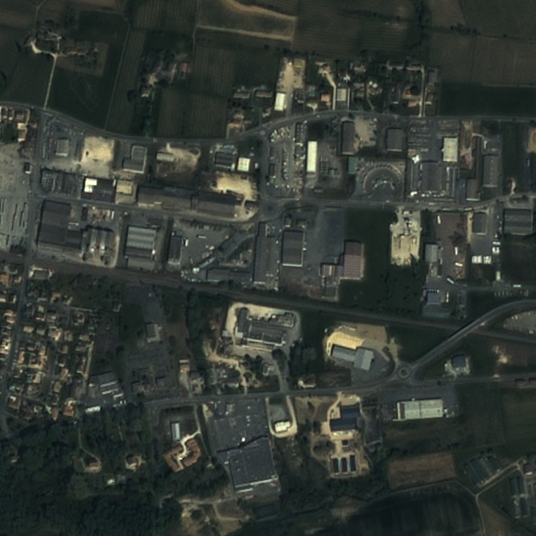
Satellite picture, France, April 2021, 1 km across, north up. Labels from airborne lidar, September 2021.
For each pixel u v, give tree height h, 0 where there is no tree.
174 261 0
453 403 0
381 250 0
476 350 0
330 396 0
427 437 0
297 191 0
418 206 0
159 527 15
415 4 17
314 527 0
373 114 0
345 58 0
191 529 0
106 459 12
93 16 0
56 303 7
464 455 0
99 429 28
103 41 0
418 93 9
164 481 20
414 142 0
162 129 0
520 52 0
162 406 0
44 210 0
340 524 0
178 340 0
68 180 0
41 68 0
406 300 7
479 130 0
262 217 0
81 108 0
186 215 0
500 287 0
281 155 0
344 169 0
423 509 0
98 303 0
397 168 0
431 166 0
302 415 0
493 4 0
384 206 0
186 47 0
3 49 0
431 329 0
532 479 0
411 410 0
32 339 0
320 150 0
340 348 0
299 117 0
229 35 0
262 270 0
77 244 0
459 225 0
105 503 15
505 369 0
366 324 0
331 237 0
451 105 0
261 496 0
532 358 0
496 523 0
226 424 0
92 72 0
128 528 28
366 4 0
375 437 0
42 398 8
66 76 0
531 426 0
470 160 0
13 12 0
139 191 0
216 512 0
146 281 0
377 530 0
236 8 0
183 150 0
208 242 0
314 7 0
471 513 0
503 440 0
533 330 0
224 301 6
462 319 6
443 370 0
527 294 0
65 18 0
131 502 9
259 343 0
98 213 0
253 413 0
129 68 0
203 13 0
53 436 22
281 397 0
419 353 0
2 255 0
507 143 0
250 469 0
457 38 0
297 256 0
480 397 0
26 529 13
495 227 0
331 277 0
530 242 15
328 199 0
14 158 0
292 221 6
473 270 0
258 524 0
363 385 0
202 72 0
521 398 0
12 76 0
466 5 0
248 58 0
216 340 0
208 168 8
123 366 0
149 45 0
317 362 0
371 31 0
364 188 0
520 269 0
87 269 0
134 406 0
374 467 15
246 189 0
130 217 0
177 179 0
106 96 0
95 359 0
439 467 0
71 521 7
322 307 0
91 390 0
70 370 6
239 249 8
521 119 0
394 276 0
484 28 0
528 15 0
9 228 0
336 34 0
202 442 0
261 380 10
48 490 13
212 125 0
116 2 0
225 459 0
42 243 0
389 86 7
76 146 0
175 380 0
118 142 0
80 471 0
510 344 0
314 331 0
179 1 0
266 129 0
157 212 0
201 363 20
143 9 0
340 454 0
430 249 0
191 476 9
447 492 0
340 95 0
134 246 0
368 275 0
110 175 0
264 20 0
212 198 0
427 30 17
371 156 0
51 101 0
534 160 7
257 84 0
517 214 0
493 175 0
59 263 0
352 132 0
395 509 0
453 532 0
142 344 0
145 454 13
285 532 0
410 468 0
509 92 0
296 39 0
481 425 0
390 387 0
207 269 0
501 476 0
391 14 0
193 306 15
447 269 0
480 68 0
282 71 0
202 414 0
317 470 0
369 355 0
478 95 0
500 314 0
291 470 0
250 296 0
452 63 0
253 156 0
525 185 0
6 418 0
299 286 0
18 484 21
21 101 0
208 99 0
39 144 0
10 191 0
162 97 0
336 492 7
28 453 25
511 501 0
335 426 0
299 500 7
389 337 0
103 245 0
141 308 0
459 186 0
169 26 0
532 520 0
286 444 0
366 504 0
